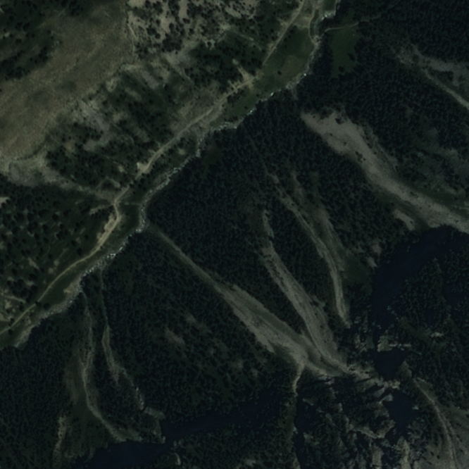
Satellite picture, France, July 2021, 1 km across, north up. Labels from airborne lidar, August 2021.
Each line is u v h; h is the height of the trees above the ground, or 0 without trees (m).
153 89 0
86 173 15
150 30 12
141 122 10
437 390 9
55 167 10
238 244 14
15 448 15
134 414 12
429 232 0
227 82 10
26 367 13
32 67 0
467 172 0
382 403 0
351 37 0
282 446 21
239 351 14
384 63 24
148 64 0
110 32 0
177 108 0
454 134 13
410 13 21
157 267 7
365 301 13
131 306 27
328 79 15
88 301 0
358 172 14
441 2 21
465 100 0
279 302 16
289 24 0
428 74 0
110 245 0
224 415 11
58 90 0
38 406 12
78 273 0
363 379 0
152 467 9
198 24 0
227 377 18
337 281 0
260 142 18
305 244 8
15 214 0
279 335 0
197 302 27
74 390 0
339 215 19
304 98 16
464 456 0
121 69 0
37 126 0
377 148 0
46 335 24
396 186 0
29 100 0
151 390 8
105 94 0
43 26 0
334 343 0
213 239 17
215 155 0
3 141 0
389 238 21
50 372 12
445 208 0
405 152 23
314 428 15
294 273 18
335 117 0
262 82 0
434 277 12
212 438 17
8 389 20
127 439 0
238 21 7
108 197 0
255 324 0
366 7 7
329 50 8
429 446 0
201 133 0
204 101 0
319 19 0
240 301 0
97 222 0
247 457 10
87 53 0
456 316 8
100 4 0
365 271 0
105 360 8
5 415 19
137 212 0
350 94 14
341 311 0
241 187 7
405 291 25
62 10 0
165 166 15
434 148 0
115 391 15
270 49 0
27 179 0
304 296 0
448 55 15
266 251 0
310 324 0
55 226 0
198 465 13
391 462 0
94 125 0
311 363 0
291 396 11
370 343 0
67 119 0
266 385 20
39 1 0
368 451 7
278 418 17
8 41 0
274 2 0
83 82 0
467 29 24
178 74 0
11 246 23
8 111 0
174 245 0
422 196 0
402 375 18
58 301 0
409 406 0
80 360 0
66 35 0
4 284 0
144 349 23
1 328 0
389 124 17
